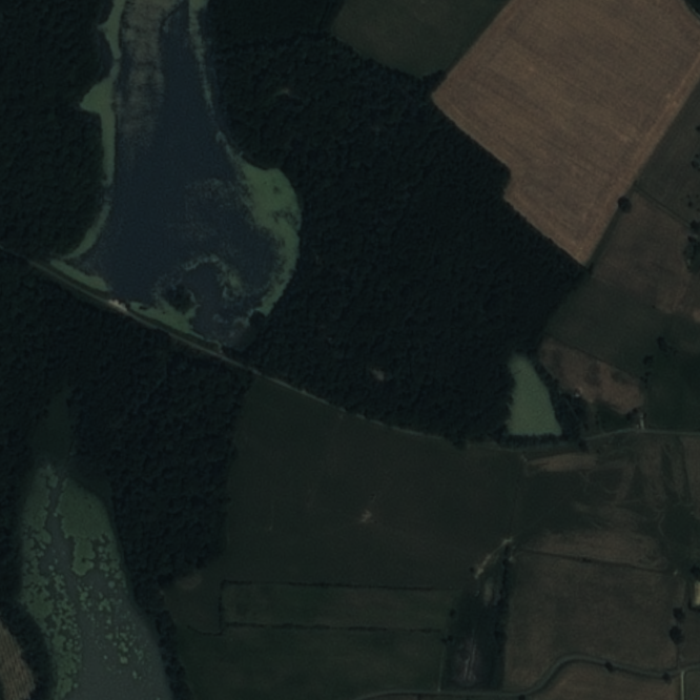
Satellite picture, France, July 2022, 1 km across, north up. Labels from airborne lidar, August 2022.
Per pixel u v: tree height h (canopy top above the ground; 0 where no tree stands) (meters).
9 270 31
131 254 0
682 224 0
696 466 0
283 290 0
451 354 23
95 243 0
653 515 0
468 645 0
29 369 18
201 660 0
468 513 0
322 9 7
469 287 18
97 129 7
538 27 0
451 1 0
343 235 19
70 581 0
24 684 0
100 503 0
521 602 0
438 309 22
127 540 19
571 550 0
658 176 0
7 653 0
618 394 0
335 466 0
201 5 0
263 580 0
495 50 0
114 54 0
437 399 22
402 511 0
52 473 0
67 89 24
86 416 21
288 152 13
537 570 0
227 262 0
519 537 0
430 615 0
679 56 0
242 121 23
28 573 0
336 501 0
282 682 0
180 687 21
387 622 0
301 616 0
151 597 26
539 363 13
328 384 22
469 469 0
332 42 18
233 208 0
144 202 0
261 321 19
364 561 0
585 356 0
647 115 0
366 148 22
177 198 0
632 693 0
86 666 0
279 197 0
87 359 23
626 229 0
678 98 0
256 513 0
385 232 26
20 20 20
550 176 0
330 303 22
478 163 24
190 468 27
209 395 26
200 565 15
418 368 22
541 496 0
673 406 0
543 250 23
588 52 0
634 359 0
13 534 19
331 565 0
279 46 23
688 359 0
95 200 19
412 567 0
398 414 19
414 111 20
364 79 26
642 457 0
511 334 23
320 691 0
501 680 0
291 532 0
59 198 16
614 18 0
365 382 22
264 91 23
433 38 0
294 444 0
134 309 0
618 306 0
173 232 0
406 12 0
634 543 0
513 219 22
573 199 0
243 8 7
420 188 16
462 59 0
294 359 23
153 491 23
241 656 0
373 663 0
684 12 0
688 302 0
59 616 0
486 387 24
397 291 17
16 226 24
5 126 20
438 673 0
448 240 19
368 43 0
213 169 0
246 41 9
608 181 0
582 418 15
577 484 0
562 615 0
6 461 24
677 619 10
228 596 0
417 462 0
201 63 0
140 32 0
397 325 15
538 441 15
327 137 23
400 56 0
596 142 0
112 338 20
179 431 25
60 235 25
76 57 21
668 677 12
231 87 18
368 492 0
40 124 15
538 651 0
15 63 21
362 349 22
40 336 22
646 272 0
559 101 0
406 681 0
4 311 24
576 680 0
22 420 21
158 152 0
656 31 0
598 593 0
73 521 0
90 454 20
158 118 0
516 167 0
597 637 0
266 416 0
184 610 0
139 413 23
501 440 19
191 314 0
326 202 25
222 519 19
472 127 0
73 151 24
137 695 0
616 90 0
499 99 0
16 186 16
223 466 24
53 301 19
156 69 0
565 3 0
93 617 0
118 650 0
